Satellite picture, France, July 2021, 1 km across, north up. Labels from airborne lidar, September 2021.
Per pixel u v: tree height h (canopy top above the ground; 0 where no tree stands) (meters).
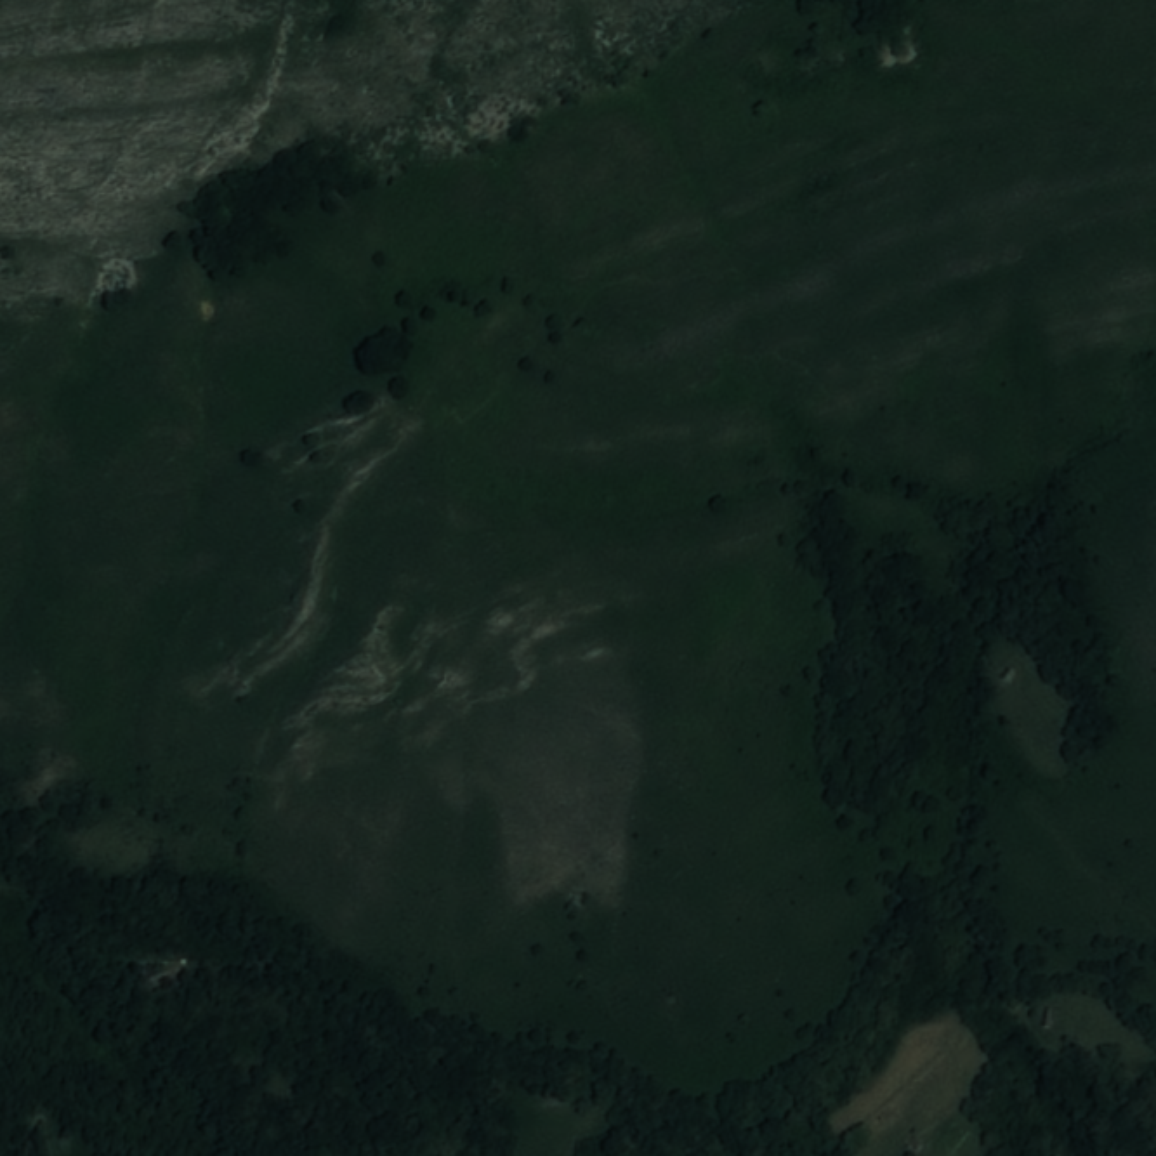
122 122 0
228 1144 23
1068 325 0
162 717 0
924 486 12
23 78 0
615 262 0
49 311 0
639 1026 0
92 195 0
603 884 0
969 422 0
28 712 0
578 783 0
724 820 0
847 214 0
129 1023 10
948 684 23
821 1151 7
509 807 0
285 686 0
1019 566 6
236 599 0
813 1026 12
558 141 0
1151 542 0
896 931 15
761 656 0
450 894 0
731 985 0
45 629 0
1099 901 0
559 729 0
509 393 0
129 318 0
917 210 0
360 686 0
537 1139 0
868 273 0
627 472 0
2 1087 18
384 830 0
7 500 0
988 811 10
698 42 0
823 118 0
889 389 0
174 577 0
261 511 0
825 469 8
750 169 0
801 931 0
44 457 0
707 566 0
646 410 0
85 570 0
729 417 0
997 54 0
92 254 0
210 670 0
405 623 0
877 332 0
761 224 0
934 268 0
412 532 0
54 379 0
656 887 0
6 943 17
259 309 0
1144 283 0
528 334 0
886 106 0
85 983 7
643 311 0
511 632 0
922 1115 0
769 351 0
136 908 16
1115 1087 14
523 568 0
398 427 0
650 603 0
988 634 25
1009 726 17
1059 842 0
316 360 0
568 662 0
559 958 0
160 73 0
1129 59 0
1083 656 15
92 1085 23
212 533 0
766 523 0
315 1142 26
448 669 0
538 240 0
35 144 0
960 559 7
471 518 0
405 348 22
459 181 0
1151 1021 21
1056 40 0
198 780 0
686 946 0
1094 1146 14
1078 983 18
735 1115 21
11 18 0
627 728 0
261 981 26
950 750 14
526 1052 18
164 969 9
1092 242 0
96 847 0
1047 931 10
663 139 0
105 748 0
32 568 0
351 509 0
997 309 0
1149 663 0
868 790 9
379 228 0
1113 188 0
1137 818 0
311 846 0
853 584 26
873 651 24
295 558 0
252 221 20
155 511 0
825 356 0
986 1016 13
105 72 0
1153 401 0
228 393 0
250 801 7
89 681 0
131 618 0
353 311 0
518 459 0
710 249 0
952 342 0
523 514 0
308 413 0
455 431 0
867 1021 24
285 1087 0
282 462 0
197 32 0
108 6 0
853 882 11
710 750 0
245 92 0
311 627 0
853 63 7
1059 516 12
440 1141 21
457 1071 25
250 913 19
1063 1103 13
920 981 14
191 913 18
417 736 0
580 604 0
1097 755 14
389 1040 17
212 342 0
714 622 0
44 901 13
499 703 0
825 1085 18
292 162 18
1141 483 0
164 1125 16
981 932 20
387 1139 25
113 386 0
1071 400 0
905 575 22
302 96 0
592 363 0
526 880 0
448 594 0
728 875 0
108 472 0
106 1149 16
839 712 14
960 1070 0
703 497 0
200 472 0
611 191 0
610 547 0
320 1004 11
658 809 0
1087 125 0
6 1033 16
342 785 0
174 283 0
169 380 0
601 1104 23
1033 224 0
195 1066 23
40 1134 17
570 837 0
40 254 0
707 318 0
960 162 0
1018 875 0
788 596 0
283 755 0
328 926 0
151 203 0
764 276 0
